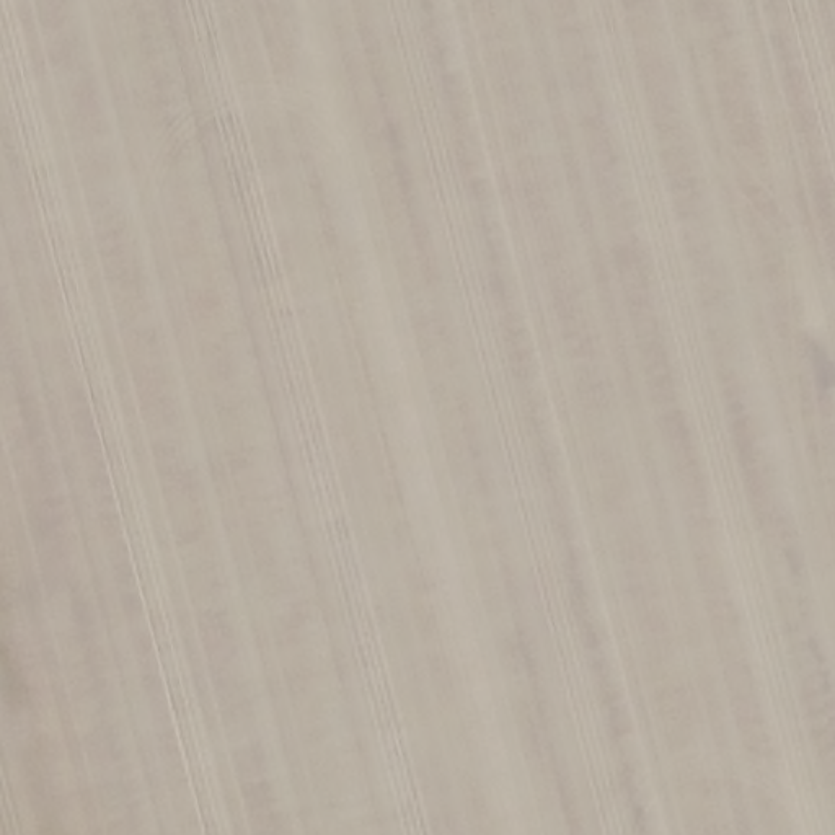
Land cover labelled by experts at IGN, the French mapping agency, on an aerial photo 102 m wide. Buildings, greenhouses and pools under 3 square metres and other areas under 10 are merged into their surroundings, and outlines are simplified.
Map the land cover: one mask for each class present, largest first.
<instances>
[{"label":"agricultural land","instance_id":"1","mask_svg":"<svg viewBox=\"0 0 835 835\"><path fill-rule=\"evenodd\" d=\"M0 835H835V0H0Z\"/></svg>","mask_w":835,"mask_h":835}]
</instances>
